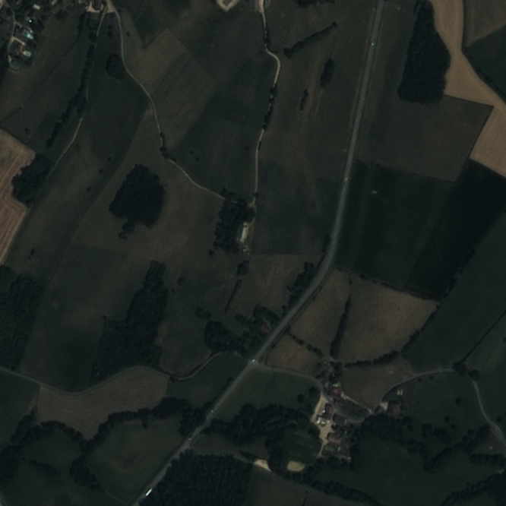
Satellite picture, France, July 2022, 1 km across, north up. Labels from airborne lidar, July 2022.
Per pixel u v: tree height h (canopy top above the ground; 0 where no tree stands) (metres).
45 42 0
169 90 0
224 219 23
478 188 0
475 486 7
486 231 0
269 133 0
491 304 0
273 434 19
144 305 21
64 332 0
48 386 0
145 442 0
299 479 16
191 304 0
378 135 0
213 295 0
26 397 0
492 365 0
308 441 0
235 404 0
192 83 0
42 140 0
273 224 0
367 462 0
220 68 0
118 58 14
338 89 0
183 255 0
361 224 0
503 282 0
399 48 0
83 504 0
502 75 0
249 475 11
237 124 0
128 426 0
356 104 0
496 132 0
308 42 8
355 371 0
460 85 0
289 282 0
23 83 0
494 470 0
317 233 0
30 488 0
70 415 0
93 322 0
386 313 0
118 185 0
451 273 0
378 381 0
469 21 0
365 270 0
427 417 0
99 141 0
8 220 0
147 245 0
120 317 0
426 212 0
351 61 0
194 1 0
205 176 0
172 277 0
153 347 8
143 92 0
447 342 0
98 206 0
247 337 12
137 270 0
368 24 0
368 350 0
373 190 0
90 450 17
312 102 0
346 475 0
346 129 0
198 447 0
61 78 0
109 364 6
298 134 0
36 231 0
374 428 21
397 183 0
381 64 0
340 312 0
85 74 15
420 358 0
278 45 0
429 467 16
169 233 0
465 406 0
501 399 0
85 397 0
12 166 0
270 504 0
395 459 0
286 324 0
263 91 0
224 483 24
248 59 0
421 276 0
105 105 0
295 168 0
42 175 11
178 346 0
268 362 0
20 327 7
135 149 0
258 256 0
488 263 0
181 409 17
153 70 0
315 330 0
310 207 0
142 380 0
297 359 0
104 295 0
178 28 0
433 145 0
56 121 0
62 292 0
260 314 14
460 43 0
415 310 0
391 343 0
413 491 0
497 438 0
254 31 0
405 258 0
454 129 0
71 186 0
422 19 19
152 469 0
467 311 0
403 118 0
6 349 6
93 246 0
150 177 16
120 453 0
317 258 0
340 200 0
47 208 0
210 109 0
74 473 15
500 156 0
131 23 0
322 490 8
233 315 0
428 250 0
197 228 0
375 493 0
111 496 0
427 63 27
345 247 0
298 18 0
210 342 18
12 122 0
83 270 0
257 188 0
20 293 11
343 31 0
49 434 13
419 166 0
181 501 30
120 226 0
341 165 0
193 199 0
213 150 0
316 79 0
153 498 26
